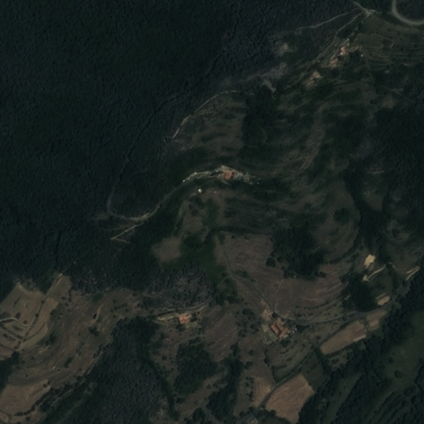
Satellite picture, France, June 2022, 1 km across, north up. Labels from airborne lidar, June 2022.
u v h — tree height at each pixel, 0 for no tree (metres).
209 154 6
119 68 20
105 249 12
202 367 12
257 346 0
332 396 11
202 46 16
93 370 11
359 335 0
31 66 15
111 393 16
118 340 19
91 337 0
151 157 14
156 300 6
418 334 0
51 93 16
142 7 17
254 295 0
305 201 0
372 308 8
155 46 16
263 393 0
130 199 10
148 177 12
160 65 22
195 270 15
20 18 20
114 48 20
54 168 18
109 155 15
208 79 7
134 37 16
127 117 23
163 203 10
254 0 15
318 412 14
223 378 6
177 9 14
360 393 15
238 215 0
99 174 12
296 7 9
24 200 15
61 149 18
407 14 9
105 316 0
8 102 19
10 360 11
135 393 13
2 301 0
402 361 0
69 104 18
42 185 15
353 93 8
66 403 10
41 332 0
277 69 0
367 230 10
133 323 14
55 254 8
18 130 16
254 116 8
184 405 0
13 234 9
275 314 12
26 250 6
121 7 24
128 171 12
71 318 0
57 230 13
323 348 0
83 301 0
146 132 27
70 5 22
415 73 6
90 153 12
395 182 6
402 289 0
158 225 15
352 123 8
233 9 11
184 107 11
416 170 18
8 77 19
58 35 26
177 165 7
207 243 6
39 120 19
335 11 8
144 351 9
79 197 17
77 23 24
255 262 0
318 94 8
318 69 12
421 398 10
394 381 0
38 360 0
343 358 0
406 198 13
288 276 10
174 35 19
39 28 19
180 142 0
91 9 18
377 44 0
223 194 0
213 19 11
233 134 0
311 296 0
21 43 17
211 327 0
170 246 0
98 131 18
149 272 12
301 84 15
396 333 15
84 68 23
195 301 15
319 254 8
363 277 15
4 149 14
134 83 17
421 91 18
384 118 13
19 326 0
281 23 10
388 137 15
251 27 19
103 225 9
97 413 15
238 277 0
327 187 0
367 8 7
